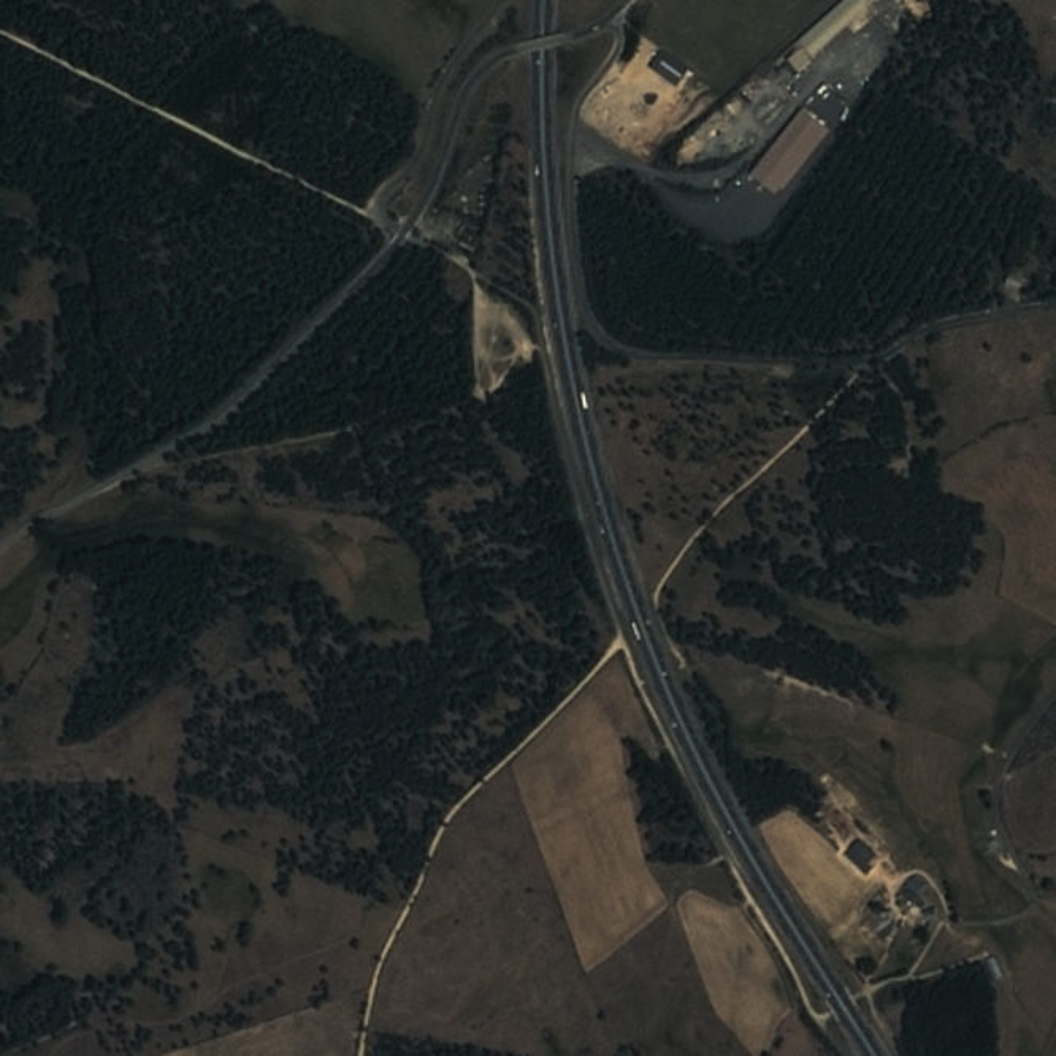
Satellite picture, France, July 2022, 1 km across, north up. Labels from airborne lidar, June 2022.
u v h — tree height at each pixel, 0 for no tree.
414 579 0
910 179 16
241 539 0
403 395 17
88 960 0
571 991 0
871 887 0
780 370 0
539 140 0
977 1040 13
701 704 13
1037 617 0
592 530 0
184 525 0
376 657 18
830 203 13
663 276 17
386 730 15
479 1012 0
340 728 12
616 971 0
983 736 0
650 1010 0
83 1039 0
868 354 14
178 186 6
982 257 18
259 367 18
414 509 17
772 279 20
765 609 16
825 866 0
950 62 15
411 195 0
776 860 0
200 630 17
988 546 0
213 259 15
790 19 0
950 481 0
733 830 0
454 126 0
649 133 0
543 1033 0
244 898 0
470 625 10
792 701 0
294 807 11
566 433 0
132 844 14
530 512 15
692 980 0
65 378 15
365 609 0
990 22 16
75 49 22
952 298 12
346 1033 0
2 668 0
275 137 16
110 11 12
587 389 0
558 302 0
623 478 0
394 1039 6
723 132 0
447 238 0
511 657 19
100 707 17
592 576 6
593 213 15
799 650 13
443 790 18
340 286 19
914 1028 15
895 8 0
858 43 0
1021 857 0
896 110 16
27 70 23
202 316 15
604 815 0
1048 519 0
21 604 0
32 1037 11
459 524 18
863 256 15
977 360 0
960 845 0
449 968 0
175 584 20
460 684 16
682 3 0
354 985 0
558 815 0
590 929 0
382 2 0
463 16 0
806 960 0
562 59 0
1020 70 11
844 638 0
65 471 0
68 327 19
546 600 18
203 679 12
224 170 7
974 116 11
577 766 0
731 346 13
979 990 13
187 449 25
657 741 0
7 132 27
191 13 16
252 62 6
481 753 15
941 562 13
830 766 0
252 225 15
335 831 0
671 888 0
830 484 18
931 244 16
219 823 0
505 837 0
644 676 0
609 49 0
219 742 19
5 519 11
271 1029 0
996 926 0
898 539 13
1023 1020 0
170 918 11
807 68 0
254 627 0
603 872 0
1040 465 0
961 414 0
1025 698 0
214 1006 0
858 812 0
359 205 14
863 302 14
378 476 13
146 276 15
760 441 16
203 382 19
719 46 0
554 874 0
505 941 0
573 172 0
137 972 13
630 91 0
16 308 0
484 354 0
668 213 8
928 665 0
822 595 13
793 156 0
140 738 0
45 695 0
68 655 0
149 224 16
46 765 0
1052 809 0
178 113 8
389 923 0
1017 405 0
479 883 0
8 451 21
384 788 18
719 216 0
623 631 0
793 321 17
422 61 0
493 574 18
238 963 0
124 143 21
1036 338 0
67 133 26
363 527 0
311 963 0
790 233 17
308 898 0
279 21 19
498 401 9
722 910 0
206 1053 0
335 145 15
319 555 0
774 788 13
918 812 0
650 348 10
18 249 22
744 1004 0
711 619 7
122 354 17
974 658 0
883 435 21
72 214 19
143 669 21
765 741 0
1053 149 0
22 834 19
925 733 0
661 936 0
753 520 14
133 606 20
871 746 0
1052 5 0
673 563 0
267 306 24
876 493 18
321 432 8
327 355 17
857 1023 0
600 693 0
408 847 16
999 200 15
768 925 0
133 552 10
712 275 18
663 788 6
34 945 0
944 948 0
